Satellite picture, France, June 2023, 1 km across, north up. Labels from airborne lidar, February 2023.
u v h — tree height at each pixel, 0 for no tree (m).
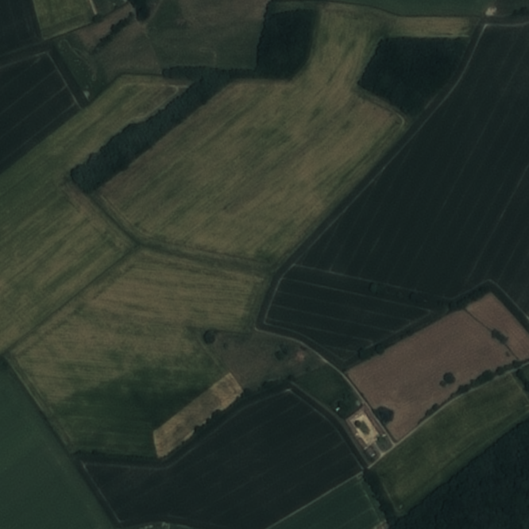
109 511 0
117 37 0
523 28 0
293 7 0
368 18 0
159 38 0
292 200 0
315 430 0
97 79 0
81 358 0
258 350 0
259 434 0
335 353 0
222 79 19
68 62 0
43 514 0
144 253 0
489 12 0
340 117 0
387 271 0
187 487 0
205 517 0
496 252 0
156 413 0
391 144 0
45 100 0
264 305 0
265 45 20
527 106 0
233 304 0
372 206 0
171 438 0
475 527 25
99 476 0
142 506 0
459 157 0
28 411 0
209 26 0
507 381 0
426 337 0
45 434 0
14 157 0
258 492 0
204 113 0
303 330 0
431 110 0
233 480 0
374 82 19
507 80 0
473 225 0
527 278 0
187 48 0
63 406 0
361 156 0
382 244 0
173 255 0
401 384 0
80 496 0
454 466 0
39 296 0
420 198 0
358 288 0
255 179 0
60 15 0
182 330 0
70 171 0
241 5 0
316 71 0
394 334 0
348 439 0
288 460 0
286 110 0
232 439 0
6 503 0
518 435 20
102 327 0
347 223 0
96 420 0
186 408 0
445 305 12
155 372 0
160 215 0
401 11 0
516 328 0
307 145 0
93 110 0
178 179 0
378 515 0
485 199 0
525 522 22
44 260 0
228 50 0
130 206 0
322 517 0
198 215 0
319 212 0
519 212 0
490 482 25
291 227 0
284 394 0
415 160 0
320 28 0
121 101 0
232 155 0
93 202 0
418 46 19
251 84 0
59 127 0
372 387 0
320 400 0
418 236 0
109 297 0
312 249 0
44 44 0
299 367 0
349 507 0
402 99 20
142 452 0
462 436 0
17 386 0
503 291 0
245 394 13
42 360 0
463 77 0
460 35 0
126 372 0
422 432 0
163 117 19
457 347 0
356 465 0
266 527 0
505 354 0
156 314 0
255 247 0
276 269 0
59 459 0
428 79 25
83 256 0
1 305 0
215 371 0
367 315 0
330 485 0
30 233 0
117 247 0
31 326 0
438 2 0
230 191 0
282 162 0
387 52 19
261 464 0
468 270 0
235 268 0
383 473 0
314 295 0
